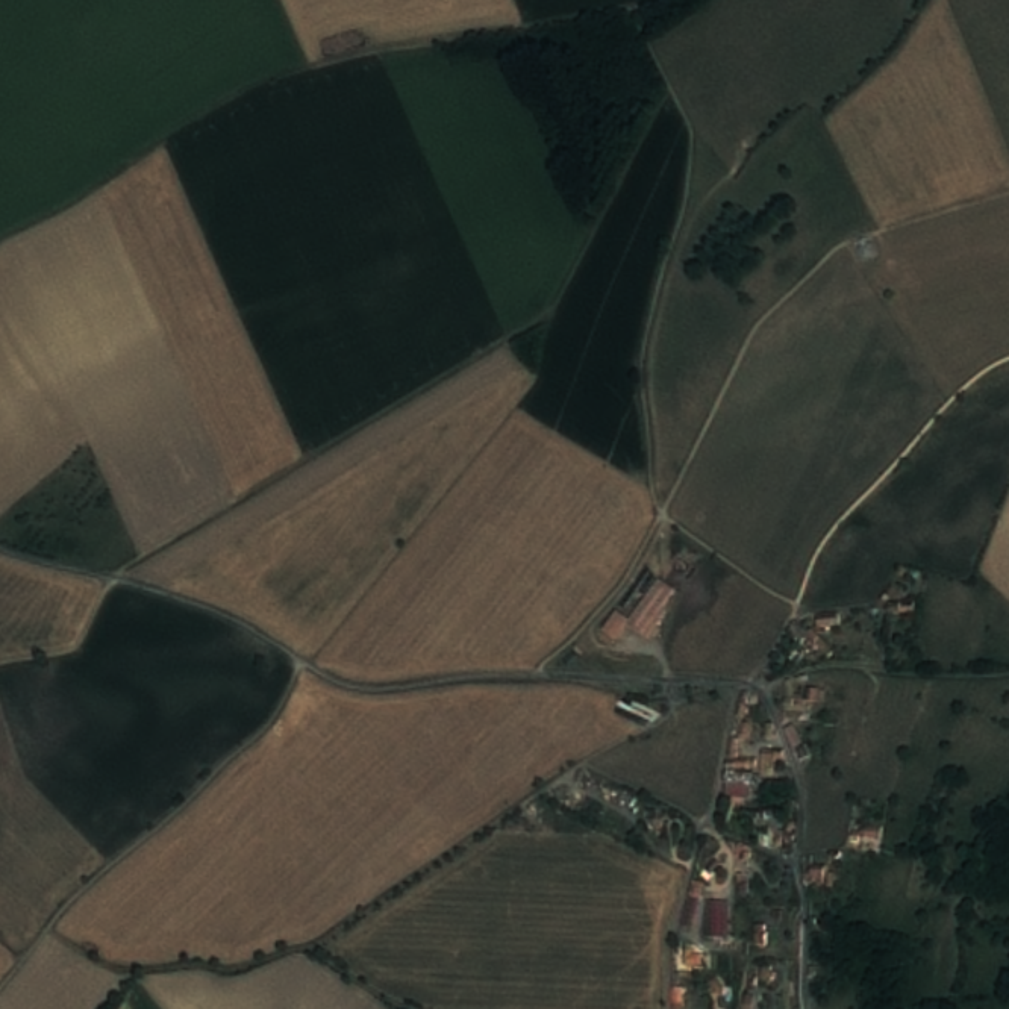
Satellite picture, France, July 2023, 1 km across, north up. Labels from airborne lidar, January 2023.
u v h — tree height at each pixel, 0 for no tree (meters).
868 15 0
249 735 0
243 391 0
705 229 0
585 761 0
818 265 0
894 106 0
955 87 0
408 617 0
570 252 0
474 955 0
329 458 0
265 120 0
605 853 0
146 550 0
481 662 0
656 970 0
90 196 0
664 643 0
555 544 0
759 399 0
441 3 0
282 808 0
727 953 0
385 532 0
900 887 0
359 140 0
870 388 0
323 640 0
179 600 0
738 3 0
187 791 0
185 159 0
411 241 0
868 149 0
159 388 0
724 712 0
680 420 0
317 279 0
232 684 0
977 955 0
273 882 0
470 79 0
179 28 0
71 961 0
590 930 0
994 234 0
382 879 0
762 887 10
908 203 0
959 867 0
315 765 0
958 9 0
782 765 11
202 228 0
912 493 0
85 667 0
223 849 0
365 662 0
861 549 0
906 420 0
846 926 15
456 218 0
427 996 0
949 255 0
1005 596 0
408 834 0
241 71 0
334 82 0
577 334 0
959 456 0
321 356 0
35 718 0
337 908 0
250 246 0
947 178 0
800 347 0
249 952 0
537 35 7
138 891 0
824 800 0
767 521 0
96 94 0
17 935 0
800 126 0
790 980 0
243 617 0
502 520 0
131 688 0
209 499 0
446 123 0
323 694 0
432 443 0
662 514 0
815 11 0
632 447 0
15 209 0
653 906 0
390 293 0
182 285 0
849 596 0
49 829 0
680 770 0
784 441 0
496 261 0
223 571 0
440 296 0
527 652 0
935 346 0
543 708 0
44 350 0
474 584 0
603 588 0
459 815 0
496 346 0
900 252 0
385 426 0
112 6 0
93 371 0
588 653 0
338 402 0
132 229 0
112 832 0
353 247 0
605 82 14
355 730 0
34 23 0
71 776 0
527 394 0
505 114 0
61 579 0
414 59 0
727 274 13
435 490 0
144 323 0
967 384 0
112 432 0
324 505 0
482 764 0
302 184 0
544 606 0
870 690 0
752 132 0
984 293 0
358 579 0
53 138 0
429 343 0
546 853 0
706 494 0
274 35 0
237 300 0
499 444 0
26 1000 0
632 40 11
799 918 0
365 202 0
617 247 0
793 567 0
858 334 0
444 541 0
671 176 0
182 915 0
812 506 0
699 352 0
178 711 0
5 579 0
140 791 0
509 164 0
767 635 0
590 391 0
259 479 0
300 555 0
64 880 0
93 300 0
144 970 14
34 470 0
